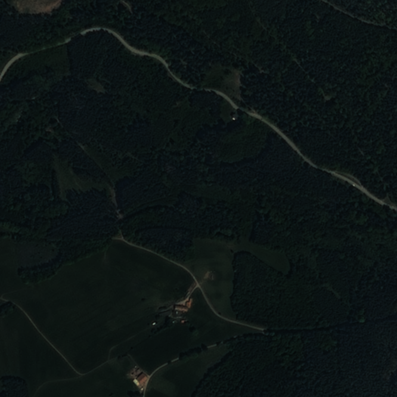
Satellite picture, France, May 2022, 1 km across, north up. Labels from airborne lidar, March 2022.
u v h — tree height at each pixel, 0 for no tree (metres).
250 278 14
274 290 13
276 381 15
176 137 0
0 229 0
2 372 0
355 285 12
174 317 0
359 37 13
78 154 25
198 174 28
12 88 33
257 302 13
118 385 0
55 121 19
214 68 0
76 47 24
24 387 21
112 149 21
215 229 27
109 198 29
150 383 0
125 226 14
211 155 28
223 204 19
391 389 23
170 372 0
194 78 7
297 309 12
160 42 30
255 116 0
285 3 15
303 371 24
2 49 8
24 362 0
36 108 12
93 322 0
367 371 27
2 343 0
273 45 23
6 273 0
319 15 15
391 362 27
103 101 23
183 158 22
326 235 17
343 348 28
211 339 0
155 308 0
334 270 11
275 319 11
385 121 24
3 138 19
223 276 0
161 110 14
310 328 14
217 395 10
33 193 28
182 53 35
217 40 13
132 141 23
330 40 18
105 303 0
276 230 10
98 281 0
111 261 0
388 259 19
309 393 21
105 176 33
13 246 0
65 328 0
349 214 29
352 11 24
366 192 0
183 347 0
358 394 27
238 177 25
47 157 24
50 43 22
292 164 24
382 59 19
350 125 21
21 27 24
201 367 0
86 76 24
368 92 22
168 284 0
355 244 19
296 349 25
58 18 14
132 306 0
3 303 0
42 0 0
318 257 10
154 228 22
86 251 20
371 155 21
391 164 17
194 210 30
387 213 26
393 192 21
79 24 8
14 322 0
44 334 0
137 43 7
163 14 19
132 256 0
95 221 30
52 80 28
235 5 11
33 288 0
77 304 0
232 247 0
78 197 30
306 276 12
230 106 0
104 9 35
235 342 9
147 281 0
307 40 19
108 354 0
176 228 25
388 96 21
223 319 0
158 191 25
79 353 0
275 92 33
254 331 0
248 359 13
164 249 18
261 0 16
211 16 13
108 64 17
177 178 31
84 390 0
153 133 12
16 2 0
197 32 11
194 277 0
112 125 19
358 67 19
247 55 12
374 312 30
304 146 23
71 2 27
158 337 0
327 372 24
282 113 30
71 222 32
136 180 14
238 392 14
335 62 23
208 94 24
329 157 27
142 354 0
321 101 27
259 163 22
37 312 0
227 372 10
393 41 22
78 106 26
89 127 22
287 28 21
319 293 12
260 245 15
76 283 0
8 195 26
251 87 34
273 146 25
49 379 0
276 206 23
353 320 21
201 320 0
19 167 21
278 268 0
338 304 11
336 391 19
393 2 32
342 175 0
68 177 0
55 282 0
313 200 23
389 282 21
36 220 28
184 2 18
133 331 0
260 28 16
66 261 17
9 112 12
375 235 21
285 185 22
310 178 23
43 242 11
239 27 12
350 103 23
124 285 0
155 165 26
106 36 21
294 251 17
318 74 29
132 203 24
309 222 15
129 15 28
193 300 0
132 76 24
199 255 0
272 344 18
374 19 25
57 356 0
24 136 14
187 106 0
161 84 14
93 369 0
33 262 0
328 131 22
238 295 11
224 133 24
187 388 0
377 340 25
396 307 13
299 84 29
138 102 14
